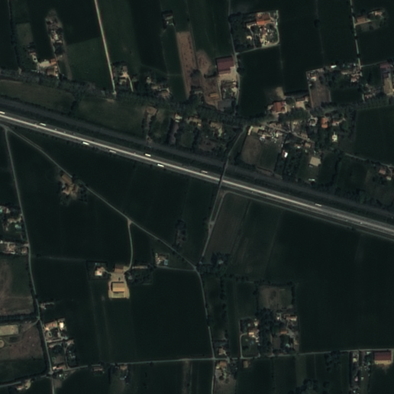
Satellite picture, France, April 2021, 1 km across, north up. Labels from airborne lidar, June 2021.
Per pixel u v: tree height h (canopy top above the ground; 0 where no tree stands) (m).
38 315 9
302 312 0
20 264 0
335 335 0
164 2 0
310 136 21
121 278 0
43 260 0
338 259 0
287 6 0
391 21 0
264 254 0
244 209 0
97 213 0
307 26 0
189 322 0
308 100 9
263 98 0
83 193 10
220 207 0
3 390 0
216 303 0
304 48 0
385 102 23
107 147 0
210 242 0
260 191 0
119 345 0
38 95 0
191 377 0
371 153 0
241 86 0
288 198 0
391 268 0
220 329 0
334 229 0
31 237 0
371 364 9
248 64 0
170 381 0
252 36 7
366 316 0
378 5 0
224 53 0
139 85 16
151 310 0
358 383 9
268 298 0
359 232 0
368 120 0
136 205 0
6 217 13
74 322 0
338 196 11
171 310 0
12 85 0
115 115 0
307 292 0
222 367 8
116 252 0
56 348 12
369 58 0
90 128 0
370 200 12
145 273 12
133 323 0
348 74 7
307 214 0
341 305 0
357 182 0
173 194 0
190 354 0
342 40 0
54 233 0
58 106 0
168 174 0
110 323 0
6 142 0
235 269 0
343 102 0
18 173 0
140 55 0
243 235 0
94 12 0
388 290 0
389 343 0
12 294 0
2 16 0
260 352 11
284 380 0
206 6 0
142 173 0
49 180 0
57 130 0
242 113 0
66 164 0
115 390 0
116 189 0
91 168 0
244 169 10
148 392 0
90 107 0
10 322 8
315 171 0
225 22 0
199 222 0
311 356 0
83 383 0
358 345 0
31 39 0
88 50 0
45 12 0
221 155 8
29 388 0
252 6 0
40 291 0
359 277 0
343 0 0
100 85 0
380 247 0
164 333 0
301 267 0
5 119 0
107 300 0
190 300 0
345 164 0
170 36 0
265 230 0
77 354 8
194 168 0
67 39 0
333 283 0
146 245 0
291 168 11
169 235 0
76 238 0
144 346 0
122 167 0
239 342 0
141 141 0
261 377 0
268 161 0
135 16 0
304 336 0
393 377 0
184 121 8
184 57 0
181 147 6
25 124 0
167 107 19
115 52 0
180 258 12
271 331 11
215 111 8
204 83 0
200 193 0
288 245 0
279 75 0
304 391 23
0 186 0
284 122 21
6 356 0
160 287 0
